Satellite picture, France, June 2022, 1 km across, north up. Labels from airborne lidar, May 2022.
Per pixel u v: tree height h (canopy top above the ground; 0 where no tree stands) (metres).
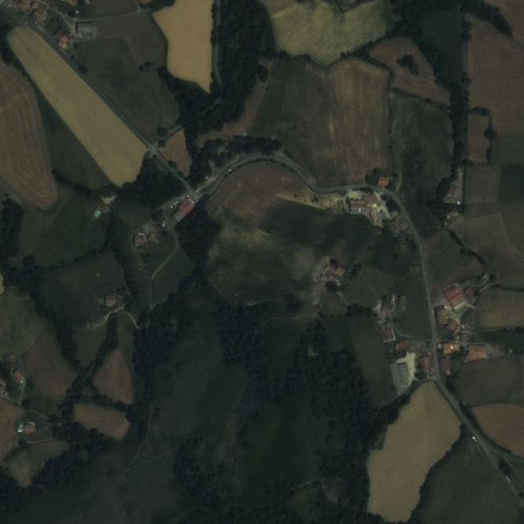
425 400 0
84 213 0
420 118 0
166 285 0
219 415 0
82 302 0
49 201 0
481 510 0
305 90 0
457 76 0
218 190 0
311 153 0
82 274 0
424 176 0
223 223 0
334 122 0
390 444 0
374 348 0
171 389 0
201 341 0
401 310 0
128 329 0
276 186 0
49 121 0
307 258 0
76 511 0
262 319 0
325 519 11
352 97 0
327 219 0
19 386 0
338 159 0
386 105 0
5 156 0
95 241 0
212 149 20
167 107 0
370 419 26
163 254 0
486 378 0
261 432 0
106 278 0
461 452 0
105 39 0
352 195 0
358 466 20
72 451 12
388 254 0
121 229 0
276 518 11
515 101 0
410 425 0
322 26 0
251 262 0
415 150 0
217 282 0
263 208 0
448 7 19
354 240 0
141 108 0
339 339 0
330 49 0
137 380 0
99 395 6
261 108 0
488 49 0
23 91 0
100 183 0
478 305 0
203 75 0
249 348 19
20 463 0
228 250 0
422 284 0
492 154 8
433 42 0
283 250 0
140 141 0
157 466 0
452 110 10
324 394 22
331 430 9
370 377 0
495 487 0
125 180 0
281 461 0
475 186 0
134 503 0
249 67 23
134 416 20
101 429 0
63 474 26
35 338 0
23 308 0
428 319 0
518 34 0
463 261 0
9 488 20
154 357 13
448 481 0
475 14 16
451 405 0
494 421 0
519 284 0
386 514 0
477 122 0
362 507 11
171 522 0
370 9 0
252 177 0
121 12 0
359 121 0
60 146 0
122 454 0
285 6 0
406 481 0
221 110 25
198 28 0
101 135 0
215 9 11
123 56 0
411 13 16
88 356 0
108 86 0
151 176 13
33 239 0
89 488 0
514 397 0
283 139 0
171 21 0
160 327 9
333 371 25
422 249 0
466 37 16
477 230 0
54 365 0
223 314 13
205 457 0
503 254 0
